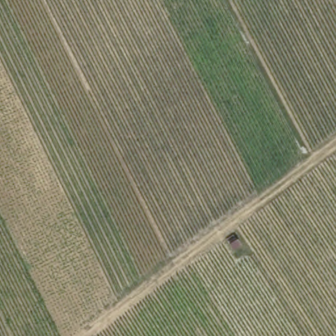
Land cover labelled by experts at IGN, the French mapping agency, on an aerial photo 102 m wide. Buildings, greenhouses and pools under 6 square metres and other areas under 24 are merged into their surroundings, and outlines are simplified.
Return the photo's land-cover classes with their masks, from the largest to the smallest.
<instances>
[{"label":"vineyard","instance_id":"1","mask_svg":"<svg viewBox=\"0 0 336 336\"><path fill-rule=\"evenodd\" d=\"M336 136V0H0V336H75L83 329L91 328V323L101 315V312L117 306L140 283L150 280L154 274L173 261L172 257L167 256L168 252L176 251L181 244L186 243V240L197 235L201 228H205L211 220L218 219L224 214H235L236 211L243 209L295 165L308 159L314 151L325 146ZM209 259H201L192 265H186L181 272L176 273V276L169 278L133 308H129L125 314L115 319L104 331L93 336H336V151L319 160L297 181L291 182L285 190L236 224L234 232L220 241L217 251H207Z\"/></svg>","mask_w":336,"mask_h":336},{"label":"pervious surface","instance_id":"2","mask_svg":"<svg viewBox=\"0 0 336 336\"><path fill-rule=\"evenodd\" d=\"M336 151V136L325 146L314 151L308 159L295 165L243 209L236 211L235 214H224L218 219L211 220L205 228H201L197 235L186 240V243L181 244L176 251L168 252L167 256L172 257L173 261L154 274L150 280L140 283L117 306L101 312V315L91 323V328L83 329L75 336H93L104 331L115 319L125 314L129 308H133L169 278L176 276V273L181 272L186 265H192L201 259H209L207 251H217L220 241L234 232L236 224L285 190L291 182L297 181L319 160Z\"/></svg>","mask_w":336,"mask_h":336}]
</instances>
